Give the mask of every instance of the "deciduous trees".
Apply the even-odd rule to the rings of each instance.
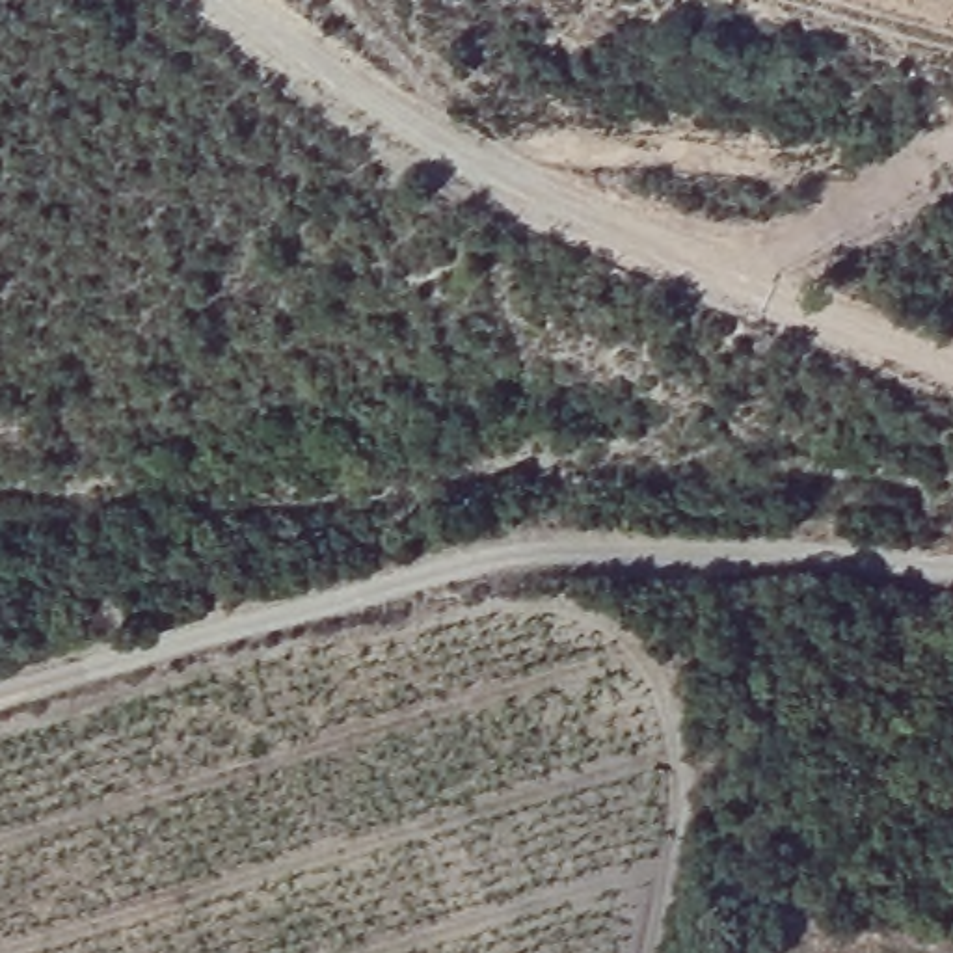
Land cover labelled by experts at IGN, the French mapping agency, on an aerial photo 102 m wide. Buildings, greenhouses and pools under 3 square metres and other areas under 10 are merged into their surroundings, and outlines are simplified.
[[[897,261],[886,272],[879,272],[879,264],[864,264],[864,275],[856,275],[841,290],[886,313],[897,328],[919,331],[938,342],[953,342],[953,194],[927,205],[912,223],[897,227],[897,235],[890,235],[886,242],[897,249]]]

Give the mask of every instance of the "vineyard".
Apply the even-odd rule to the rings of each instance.
[[[908,22],[923,22],[953,37],[953,0],[867,0],[875,7],[905,15]]]
[[[551,566],[506,570],[477,581],[447,581],[380,607],[331,614],[272,629],[261,637],[238,637],[227,644],[208,644],[168,663],[71,685],[41,700],[0,700],[0,953],[655,953],[663,942],[666,908],[674,901],[674,879],[685,849],[685,830],[692,819],[689,793],[696,785],[692,767],[685,763],[681,700],[674,696],[678,670],[670,663],[651,659],[640,637],[622,629],[618,618],[584,611],[581,603],[566,599],[566,581],[558,581]]]

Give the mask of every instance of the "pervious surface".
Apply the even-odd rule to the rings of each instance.
[[[566,242],[607,249],[625,268],[692,279],[704,305],[718,313],[774,320],[782,328],[812,328],[815,342],[830,354],[849,354],[871,369],[879,361],[897,361],[897,376],[912,369],[923,372],[938,391],[953,395],[953,342],[938,342],[919,331],[897,328],[886,313],[841,290],[819,313],[800,305],[804,283],[819,279],[834,264],[834,249],[886,242],[890,235],[897,235],[897,227],[912,223],[927,205],[953,194],[953,127],[916,134],[890,160],[867,164],[852,179],[823,186],[819,201],[808,208],[774,220],[707,220],[700,212],[681,212],[659,197],[640,197],[633,190],[603,194],[588,179],[555,175],[558,160],[588,168],[670,164],[685,175],[752,175],[767,179],[771,186],[793,186],[804,175],[797,171],[797,164],[778,164],[778,145],[763,134],[700,130],[685,115],[670,115],[670,123],[640,119],[622,138],[599,130],[540,130],[532,138],[480,138],[465,123],[454,123],[447,112],[417,101],[413,93],[402,93],[387,74],[365,63],[339,37],[324,34],[287,0],[201,0],[201,19],[208,26],[227,30],[235,45],[261,67],[287,74],[287,93],[302,97],[305,104],[320,104],[328,123],[350,134],[365,134],[383,168],[409,171],[421,160],[447,160],[462,179],[469,179],[477,190],[488,190],[495,205],[514,212],[532,231],[555,231]]]
[[[722,558],[845,558],[852,555],[852,544],[841,536],[834,544],[800,540],[797,532],[785,540],[692,540],[614,529],[555,532],[540,525],[521,525],[499,540],[432,551],[409,566],[383,566],[365,581],[342,581],[335,588],[316,588],[294,599],[242,603],[238,611],[212,611],[201,622],[160,633],[153,648],[115,651],[108,644],[89,644],[78,659],[56,655],[0,681],[0,700],[41,700],[71,685],[168,663],[208,644],[227,644],[238,637],[261,637],[272,629],[331,614],[380,607],[447,581],[477,581],[506,570],[551,566],[637,558],[648,558],[655,566],[711,566]]]
[[[938,547],[890,547],[882,558],[893,573],[916,570],[927,581],[953,581],[953,555],[942,555]]]

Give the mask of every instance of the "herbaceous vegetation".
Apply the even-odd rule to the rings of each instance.
[[[365,63],[387,74],[402,93],[413,93],[417,101],[447,112],[450,101],[469,97],[473,86],[488,86],[491,74],[477,67],[469,74],[458,74],[447,56],[424,45],[424,0],[287,0],[324,34],[339,37]]]
[[[681,0],[491,0],[491,7],[536,4],[551,26],[547,45],[562,45],[566,52],[596,45],[622,15],[659,22]]]
[[[912,82],[908,97],[923,97],[927,82],[934,82],[938,71],[931,56],[953,56],[953,37],[923,22],[908,22],[905,15],[875,7],[867,0],[700,0],[737,4],[756,22],[800,22],[804,30],[845,34],[856,60],[897,63],[901,71],[919,63],[923,82]]]
[[[823,186],[852,179],[841,168],[841,149],[834,138],[778,145],[778,164],[797,164],[797,171],[804,175],[793,186],[808,208],[819,201]]]

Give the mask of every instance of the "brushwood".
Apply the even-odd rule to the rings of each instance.
[[[555,175],[588,179],[603,194],[633,190],[640,197],[659,197],[681,212],[700,212],[707,220],[774,220],[808,208],[793,186],[771,186],[767,179],[752,175],[685,175],[670,164],[588,168],[558,160]]]
[[[692,819],[685,830],[685,849],[674,879],[674,901],[666,908],[663,942],[655,953],[953,953],[953,581],[927,581],[916,570],[893,573],[882,558],[890,547],[938,547],[942,555],[953,555],[953,395],[938,391],[923,372],[912,369],[897,376],[897,361],[879,361],[871,369],[849,354],[830,354],[815,342],[812,328],[782,328],[774,320],[718,313],[704,305],[692,279],[625,268],[607,249],[566,242],[555,231],[532,231],[514,212],[495,205],[488,190],[477,190],[469,179],[462,179],[447,160],[421,160],[409,171],[383,168],[365,134],[350,134],[328,123],[320,104],[305,104],[302,97],[287,93],[287,74],[261,67],[235,45],[227,30],[208,26],[201,19],[201,0],[0,0],[0,681],[56,655],[78,659],[89,644],[108,644],[115,651],[153,648],[160,633],[201,622],[212,611],[238,611],[242,603],[294,599],[316,588],[335,588],[342,581],[365,581],[383,566],[409,566],[432,551],[499,540],[521,525],[540,525],[555,532],[614,529],[692,540],[785,540],[797,532],[800,540],[834,544],[841,536],[852,544],[852,555],[845,558],[722,558],[711,566],[655,566],[648,558],[637,558],[551,566],[558,581],[566,581],[566,599],[581,603],[584,611],[618,618],[622,629],[640,637],[651,659],[670,663],[678,670],[674,696],[681,700],[685,763],[692,767],[696,785],[689,793]]]
[[[879,272],[886,272],[897,261],[897,249],[886,242],[834,249],[834,264],[819,279],[804,283],[800,305],[819,313],[841,290],[856,275],[864,275],[864,264],[879,264]]]
[[[938,71],[934,82],[927,82],[923,97],[908,97],[912,82],[923,82],[919,63],[901,71],[897,63],[856,60],[845,34],[804,30],[800,22],[756,22],[737,4],[700,0],[681,0],[659,22],[622,15],[596,45],[566,52],[562,45],[547,45],[551,26],[536,4],[491,7],[491,0],[424,0],[424,45],[447,56],[458,74],[469,74],[477,67],[491,74],[488,86],[473,86],[469,97],[450,101],[447,112],[454,123],[465,123],[480,138],[532,138],[540,130],[599,130],[622,138],[640,119],[670,123],[670,115],[685,115],[700,130],[763,134],[778,145],[834,138],[841,149],[841,168],[852,179],[867,164],[890,160],[916,134],[953,127],[953,56],[931,56]]]

